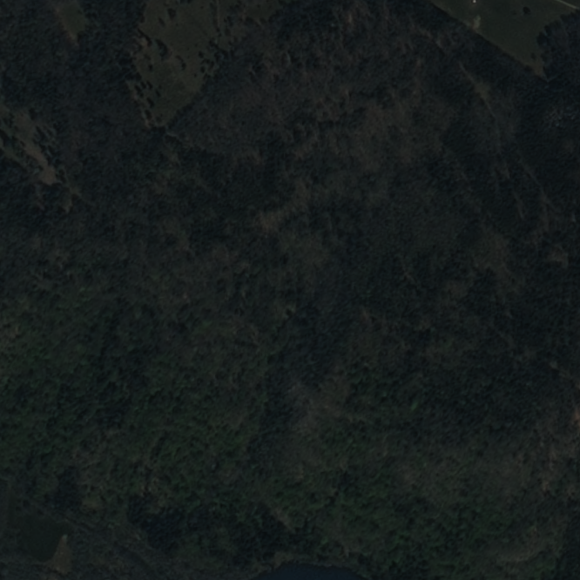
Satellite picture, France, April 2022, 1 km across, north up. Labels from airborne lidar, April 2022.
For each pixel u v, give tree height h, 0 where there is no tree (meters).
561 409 20
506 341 15
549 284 16
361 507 14
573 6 0
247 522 26
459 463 15
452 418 23
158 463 19
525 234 15
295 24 14
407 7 18
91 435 23
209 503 20
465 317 19
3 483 24
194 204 14
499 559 24
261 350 28
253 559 21
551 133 16
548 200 8
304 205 22
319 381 14
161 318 27
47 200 15
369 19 19
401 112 17
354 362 17
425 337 24
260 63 20
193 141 14
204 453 24
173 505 20
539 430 22
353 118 21
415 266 18
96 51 23
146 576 17
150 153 17
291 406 17
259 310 33
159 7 0
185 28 0
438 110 19
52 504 18
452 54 16
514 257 16
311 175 16
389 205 22
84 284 35
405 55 23
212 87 17
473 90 20
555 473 19
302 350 25
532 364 18
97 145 23
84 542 9
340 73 25
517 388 21
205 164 14
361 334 18
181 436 17
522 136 19
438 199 15
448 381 19
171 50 19
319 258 23
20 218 19
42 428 17
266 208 17
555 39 19
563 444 24
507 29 0
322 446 24
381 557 20
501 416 16
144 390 28
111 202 16
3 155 21
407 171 23
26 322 22
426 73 22
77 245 27
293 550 15
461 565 21
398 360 18
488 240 15
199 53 0
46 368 31
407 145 23
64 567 0
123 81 18
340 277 26
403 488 20
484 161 16
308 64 19
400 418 14
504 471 18
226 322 30
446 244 17
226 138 26
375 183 29
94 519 15
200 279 23
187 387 20
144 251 29
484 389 19
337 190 22
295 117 21
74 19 0
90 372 30
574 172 19
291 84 24
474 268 16
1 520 19
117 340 32
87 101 25
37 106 16
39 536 0
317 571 0
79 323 27
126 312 32
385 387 21
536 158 17
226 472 16
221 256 22
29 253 15
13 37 20
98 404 28
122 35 20
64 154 20
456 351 14
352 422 24
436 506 22
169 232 21
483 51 13
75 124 21
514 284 17
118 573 11
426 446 15
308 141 16
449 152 18
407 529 21
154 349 36
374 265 19
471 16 0
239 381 22
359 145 23
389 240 21
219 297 32
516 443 15
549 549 28
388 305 20
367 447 18
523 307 18
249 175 20
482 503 23
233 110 25
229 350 24
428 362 22
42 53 22
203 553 20
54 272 12
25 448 16
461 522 25
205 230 21
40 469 27
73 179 16
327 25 20
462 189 18
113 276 23
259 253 25
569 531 25
